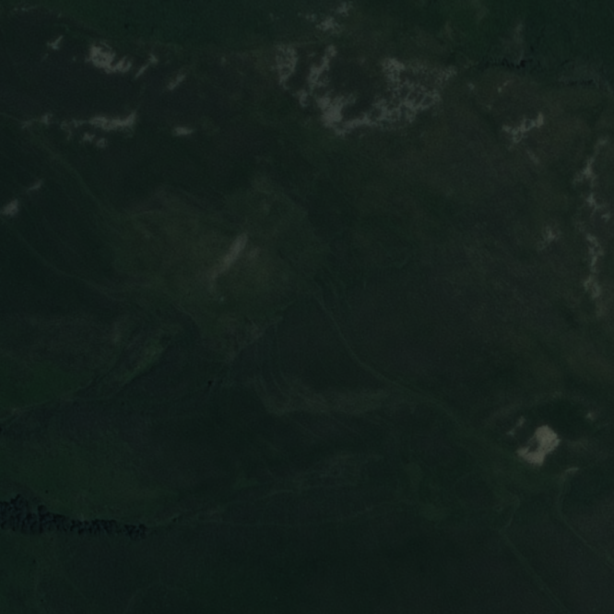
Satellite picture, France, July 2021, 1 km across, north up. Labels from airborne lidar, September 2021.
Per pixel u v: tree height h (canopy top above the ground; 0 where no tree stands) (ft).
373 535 0
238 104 0
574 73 0
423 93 0
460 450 0
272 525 0
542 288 0
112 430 0
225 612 0
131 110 0
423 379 0
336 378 0
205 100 0
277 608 0
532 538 0
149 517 0
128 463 0
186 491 0
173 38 0
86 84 0
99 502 0
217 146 0
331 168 0
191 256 0
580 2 0
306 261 0
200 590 0
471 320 0
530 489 0
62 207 0
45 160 0
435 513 0
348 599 0
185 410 0
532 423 0
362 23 0
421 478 0
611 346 0
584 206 0
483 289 0
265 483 0
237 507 0
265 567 0
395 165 0
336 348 0
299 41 0
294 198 0
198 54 0
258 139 0
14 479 0
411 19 0
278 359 0
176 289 0
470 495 0
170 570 0
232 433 0
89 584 0
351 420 0
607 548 0
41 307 0
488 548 0
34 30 0
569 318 0
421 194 0
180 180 0
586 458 0
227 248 0
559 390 0
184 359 0
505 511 0
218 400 0
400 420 0
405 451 0
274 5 0
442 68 0
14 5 0
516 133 0
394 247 0
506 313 0
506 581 0
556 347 0
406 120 0
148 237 0
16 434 0
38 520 91
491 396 0
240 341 0
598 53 0
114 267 0
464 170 0
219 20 0
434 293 0
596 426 0
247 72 0
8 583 0
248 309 0
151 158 0
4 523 81
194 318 0
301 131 0
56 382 0
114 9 0
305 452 0
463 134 0
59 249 0
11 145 0
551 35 0
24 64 0
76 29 0
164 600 0
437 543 0
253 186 0
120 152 0
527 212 0
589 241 0
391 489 0
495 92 0
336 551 0
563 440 0
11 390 0
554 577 0
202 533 0
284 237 0
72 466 0
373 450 0
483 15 0
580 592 0
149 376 0
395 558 0
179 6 0
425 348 0
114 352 0
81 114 0
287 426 0
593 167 0
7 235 0
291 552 0
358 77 0
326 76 0
